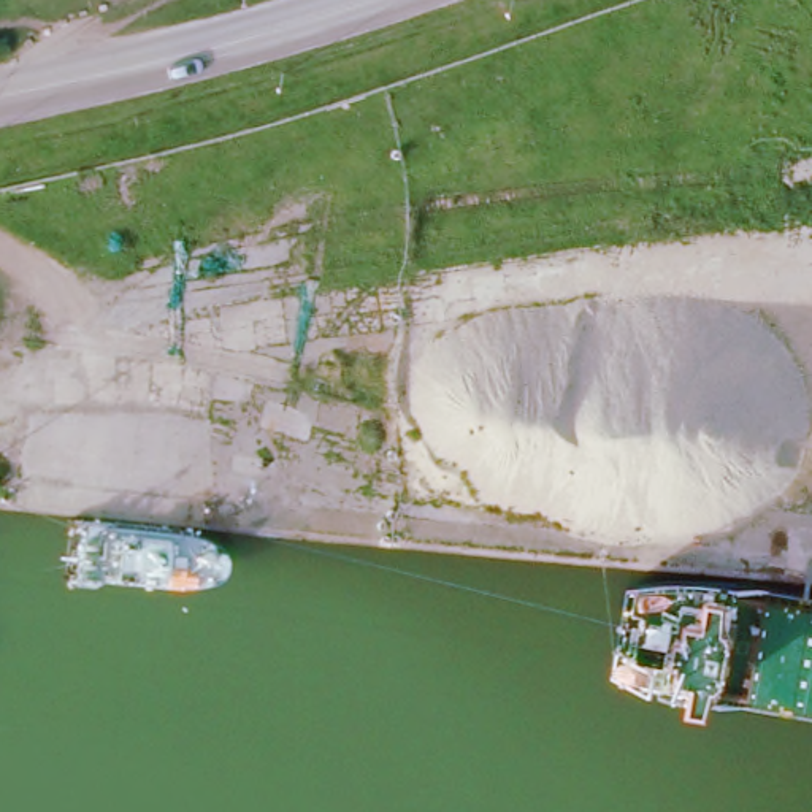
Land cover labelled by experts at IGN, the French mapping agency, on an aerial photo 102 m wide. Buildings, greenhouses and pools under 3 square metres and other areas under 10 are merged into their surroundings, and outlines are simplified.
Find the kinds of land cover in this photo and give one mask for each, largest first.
<instances>
[{"label":"water","instance_id":"1","mask_svg":"<svg viewBox=\"0 0 812 812\"><path fill-rule=\"evenodd\" d=\"M203 539H149L146 533H124L105 523H82L67 530L63 520L54 514L0 511V812H812V584L793 580L783 568H761V577H726L685 571L574 568L308 539H270L216 527H203Z\"/></svg>","mask_w":812,"mask_h":812},{"label":"herbaceous vegetation","instance_id":"2","mask_svg":"<svg viewBox=\"0 0 812 812\"><path fill-rule=\"evenodd\" d=\"M235 0H0V19L35 16L51 22L70 19L79 10H86L102 22H111L117 35H133L159 25L225 13ZM431 6L419 19L374 29L358 38L333 41L285 60H270L225 76H209L193 86H174L155 95L0 127V228L48 251L67 266L86 270L89 276L124 279L130 273H140L146 257H162L181 247L193 251L203 238V225L222 209H228L232 216L257 213L260 219H270L276 206H282L285 200H298L308 190H320L330 228H324L327 260L317 285H324L327 292L365 289L368 295H374L384 285H416L422 270H444L473 263L501 266L504 260L546 257L574 247L660 244L723 232H787L812 222V0H428ZM387 358L381 352L336 349L314 368H289V406H295L301 396H317L324 403H355L365 409L384 403Z\"/></svg>","mask_w":812,"mask_h":812},{"label":"impervious surface","instance_id":"3","mask_svg":"<svg viewBox=\"0 0 812 812\"><path fill-rule=\"evenodd\" d=\"M431 6L428 0H235L225 13L159 25L133 35H117L111 22H102L86 10H79L70 19L51 22L35 41H25L16 51L0 44V127L155 95L174 86H193L209 76H225L270 60H285L333 41L358 38L374 29L419 19ZM324 228H330L320 190H308L298 200H285L282 206H276L270 219H260L257 213L232 216L228 209H222L203 225V238L193 251L181 247L162 257H146L140 273H130L124 279L89 276L86 270L67 266L48 251L0 228V511L54 514L63 520L67 530L82 523H105L124 533H146L149 539H203V527H216L270 539H308L574 568L685 571L726 577H761V568H783L793 580L812 584V488H796L799 501L777 498L758 504L752 514L733 520L717 533L695 536L685 546V552L672 539L631 546L587 542L561 530L558 520H549L546 514H520L498 504H488L485 514H473L457 501L438 504V498H416L409 492V460L403 447L409 441V431H393L390 422L396 416L412 412V311L419 301H431L441 295L444 270H422L416 285H384L374 295H368L365 289L327 292L324 285H317L327 260ZM336 349L381 352L387 358L384 403L365 409L355 403H324L317 396H301L295 406H289V368H314Z\"/></svg>","mask_w":812,"mask_h":812},{"label":"pervious surface","instance_id":"4","mask_svg":"<svg viewBox=\"0 0 812 812\"><path fill-rule=\"evenodd\" d=\"M51 22L35 16L0 19V44L16 51L25 41H35ZM412 412L396 416L390 422L393 431H409V441L403 447L409 460V492L416 498H438V504L457 501L473 514H485L488 504H498L520 514H546L549 520H558L561 530L587 542L631 546L672 539L685 552V546L695 536L717 533L733 520L752 514L758 504L777 498L799 501L796 488H812V222L787 232H723L660 244L574 247L546 257L504 260L501 266L473 263L444 270L441 295L431 301H419L412 311Z\"/></svg>","mask_w":812,"mask_h":812}]
</instances>
